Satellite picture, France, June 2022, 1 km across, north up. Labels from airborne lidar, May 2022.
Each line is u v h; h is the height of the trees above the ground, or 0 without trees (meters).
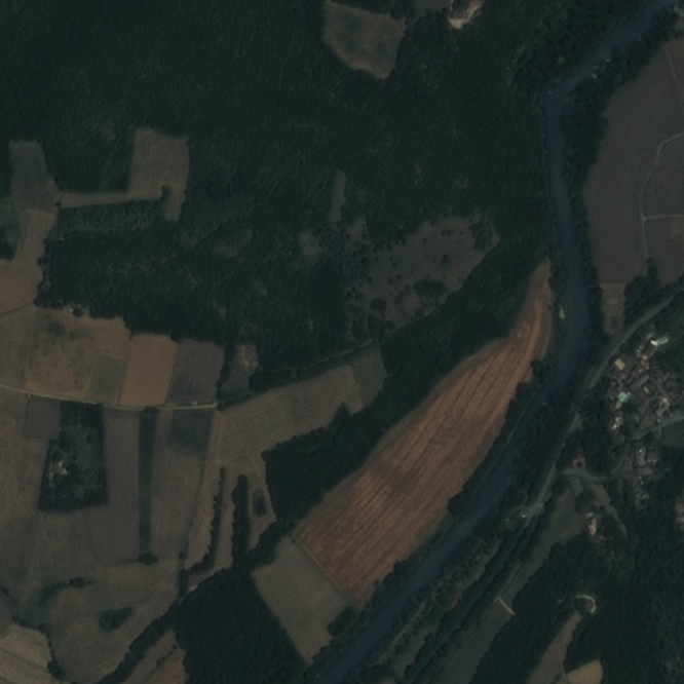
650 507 10
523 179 8
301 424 0
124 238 10
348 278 16
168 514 0
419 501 0
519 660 15
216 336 13
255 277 7
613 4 40
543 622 15
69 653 0
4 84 10
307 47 6
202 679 15
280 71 8
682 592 11
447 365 19
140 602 0
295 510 12
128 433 0
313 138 10
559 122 0
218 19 6
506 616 0
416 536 0
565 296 0
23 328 0
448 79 10
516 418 14
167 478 0
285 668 11
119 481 0
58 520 0
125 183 8
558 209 0
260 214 8
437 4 0
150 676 0
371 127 9
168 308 11
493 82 10
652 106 0
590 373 0
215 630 18
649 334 0
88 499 7
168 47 8
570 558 7
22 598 0
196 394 0
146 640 19
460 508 33
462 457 0
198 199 7
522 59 23
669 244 0
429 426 0
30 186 0
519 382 0
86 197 0
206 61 8
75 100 8
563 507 0
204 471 0
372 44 0
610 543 14
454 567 25
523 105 12
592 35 24
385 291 0
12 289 0
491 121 11
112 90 11
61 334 0
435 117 9
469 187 7
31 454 0
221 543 0
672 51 0
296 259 9
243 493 11
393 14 12
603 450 14
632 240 0
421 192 8
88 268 8
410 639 12
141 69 6
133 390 0
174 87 6
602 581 8
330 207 8
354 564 0
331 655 12
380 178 7
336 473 12
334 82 11
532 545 16
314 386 0
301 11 12
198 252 9
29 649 0
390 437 0
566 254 0
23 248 0
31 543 0
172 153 0
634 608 14
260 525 0
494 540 11
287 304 8
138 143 0
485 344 18
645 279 13
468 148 7
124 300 8
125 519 0
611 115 0
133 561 0
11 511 0
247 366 0
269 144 7
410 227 12
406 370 16
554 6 16
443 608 7
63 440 7
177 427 0
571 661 10
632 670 10
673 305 12
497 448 16
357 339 9
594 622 11
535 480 14
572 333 0
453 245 0
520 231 12
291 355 17
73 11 12
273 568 0
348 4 11
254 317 10
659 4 0
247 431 0
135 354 0
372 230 11
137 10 11
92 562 0
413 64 12
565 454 17
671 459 7
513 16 9
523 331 0
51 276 12
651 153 0
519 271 18
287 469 22
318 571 0
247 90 7
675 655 8
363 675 13
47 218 0
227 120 8
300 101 9
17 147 0
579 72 0
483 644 0
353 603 0
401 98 13
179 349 0
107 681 14
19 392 0
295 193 10
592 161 19
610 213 0
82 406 7
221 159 8
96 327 0
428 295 9
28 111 15
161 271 6
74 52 9
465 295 14
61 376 0
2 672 0
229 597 19
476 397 0
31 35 11
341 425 6
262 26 8
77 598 0
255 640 17
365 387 0
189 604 16
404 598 0
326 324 12
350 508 0
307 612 0
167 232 10
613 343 0
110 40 10
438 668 16
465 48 11
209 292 8
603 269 0
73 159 9
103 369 0
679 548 9
